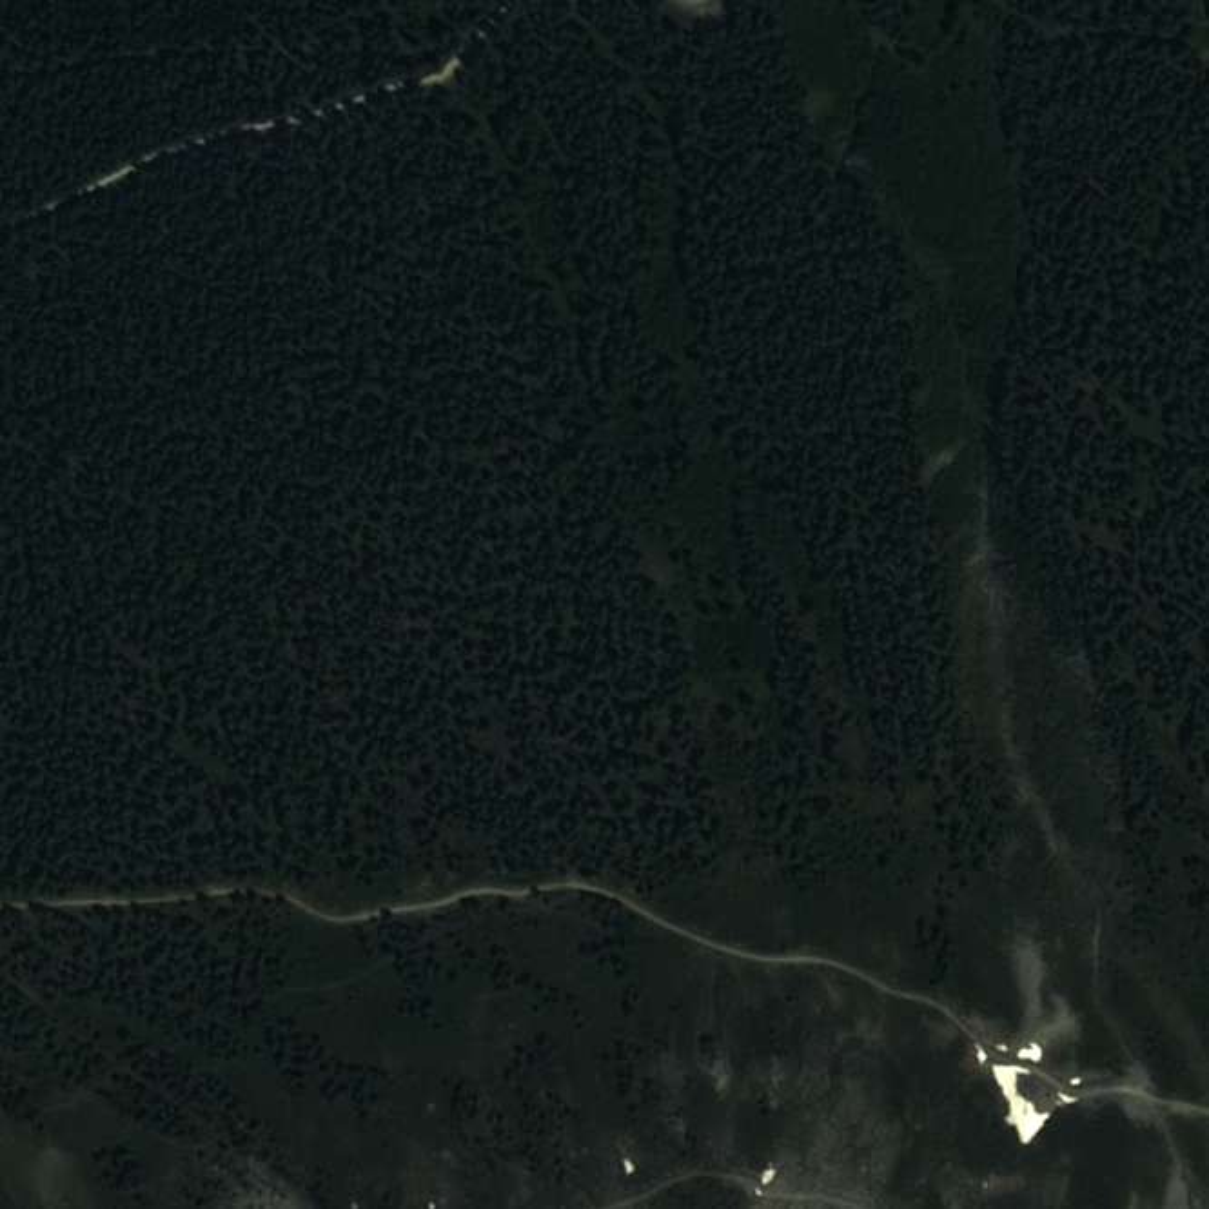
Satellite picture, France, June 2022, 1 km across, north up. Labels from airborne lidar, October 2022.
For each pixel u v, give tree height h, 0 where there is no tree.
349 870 19
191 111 29
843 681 6
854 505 21
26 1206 0
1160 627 0
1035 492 23
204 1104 12
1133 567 18
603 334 33
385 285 25
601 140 27
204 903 13
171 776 13
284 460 21
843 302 25
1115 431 17
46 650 11
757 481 8
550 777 16
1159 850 11
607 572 25
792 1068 0
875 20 11
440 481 7
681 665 17
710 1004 0
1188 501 13
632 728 15
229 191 30
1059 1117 0
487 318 20
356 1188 0
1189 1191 0
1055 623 6
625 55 11
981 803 14
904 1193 0
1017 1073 0
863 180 6
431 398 7
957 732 10
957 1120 0
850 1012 0
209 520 23
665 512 7
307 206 29
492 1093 0
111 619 25
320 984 0
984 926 0
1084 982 0
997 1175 0
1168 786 10
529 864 9
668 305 7
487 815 13
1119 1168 0
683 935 0
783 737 6
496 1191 0
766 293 30
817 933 0
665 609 27
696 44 9
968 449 7
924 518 19
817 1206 0
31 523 26
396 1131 0
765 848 8
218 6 16
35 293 20
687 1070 0
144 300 15
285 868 21
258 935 8
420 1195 0
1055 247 21
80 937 15
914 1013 0
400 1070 0
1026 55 20
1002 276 6
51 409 12
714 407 7
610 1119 0
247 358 23
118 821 22
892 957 0
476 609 16
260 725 14
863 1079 0
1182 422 21
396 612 23
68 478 29
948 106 9
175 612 21
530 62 33
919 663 14
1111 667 12
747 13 27
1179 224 27
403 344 20
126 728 14
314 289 24
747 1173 0
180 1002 12
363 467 23
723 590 23
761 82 23
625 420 6
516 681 17
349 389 22
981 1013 0
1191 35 29
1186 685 15
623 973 11
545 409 8
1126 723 8
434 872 13
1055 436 15
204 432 18
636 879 15
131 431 16
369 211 36
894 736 13
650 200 12
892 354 9
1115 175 13
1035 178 7
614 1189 0
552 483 24
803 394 10
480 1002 0
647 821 15
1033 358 17
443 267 24
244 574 9
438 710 14
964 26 21
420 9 27
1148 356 24
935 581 22
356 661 19
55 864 22
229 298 27
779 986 0
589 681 19
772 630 6
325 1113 0
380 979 0
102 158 22
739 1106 0
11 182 23
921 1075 0
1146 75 26
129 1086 10
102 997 12
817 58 6
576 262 5
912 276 14
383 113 31
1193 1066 0
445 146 32
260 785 13
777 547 8
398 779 11
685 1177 0
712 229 27
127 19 14
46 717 17
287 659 8
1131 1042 0
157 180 16
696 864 12
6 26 16
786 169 23
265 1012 10
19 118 29
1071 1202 0
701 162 26
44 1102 0
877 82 7
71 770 16
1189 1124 0
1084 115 12
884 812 0
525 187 30
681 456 23
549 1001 7
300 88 29
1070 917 0
